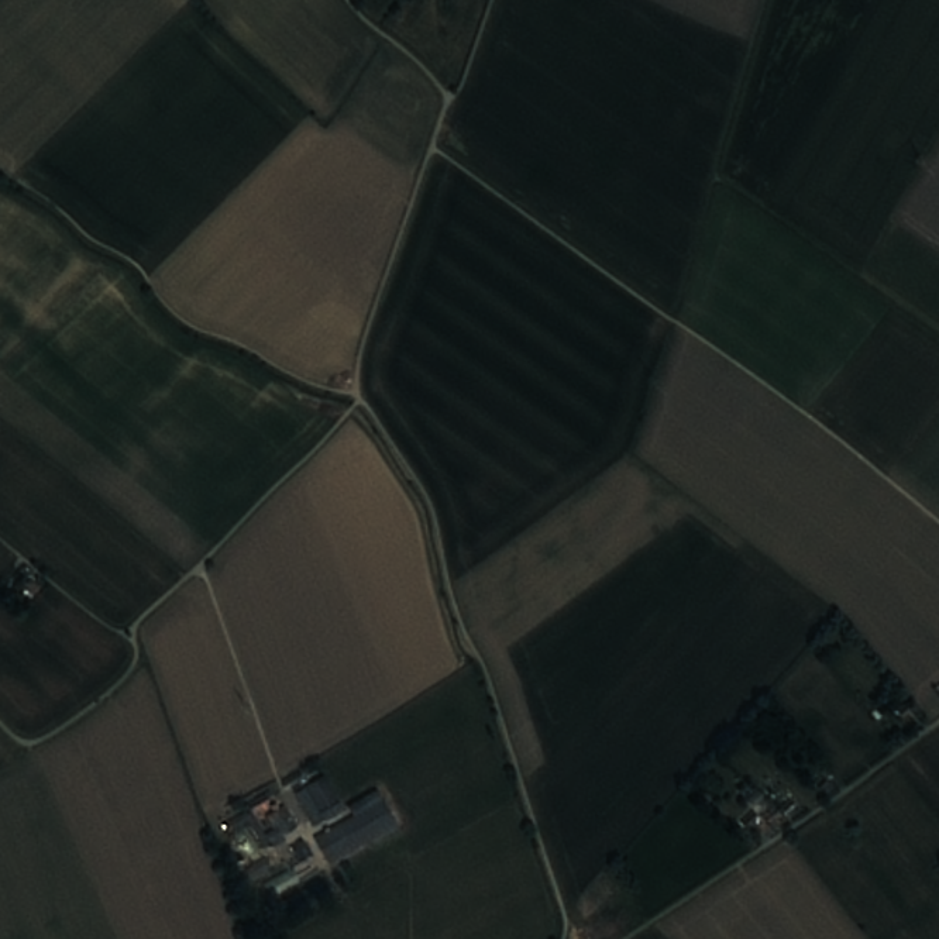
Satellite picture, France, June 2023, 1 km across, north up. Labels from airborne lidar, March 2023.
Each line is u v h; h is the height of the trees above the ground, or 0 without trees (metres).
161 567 0
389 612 0
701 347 0
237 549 0
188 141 0
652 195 0
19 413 0
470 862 0
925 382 0
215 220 0
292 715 0
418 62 0
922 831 0
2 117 0
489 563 0
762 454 0
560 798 0
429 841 0
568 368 0
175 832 0
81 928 0
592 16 0
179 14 0
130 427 0
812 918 0
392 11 8
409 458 0
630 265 0
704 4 0
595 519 0
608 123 0
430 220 0
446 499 0
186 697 0
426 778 0
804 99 0
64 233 0
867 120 0
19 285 0
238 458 0
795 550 0
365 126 0
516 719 0
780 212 0
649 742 0
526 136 0
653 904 0
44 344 0
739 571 0
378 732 0
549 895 0
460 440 0
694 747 0
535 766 0
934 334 0
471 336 0
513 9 0
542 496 0
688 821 0
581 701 0
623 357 0
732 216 0
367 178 0
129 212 0
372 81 0
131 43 0
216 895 0
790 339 0
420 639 0
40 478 0
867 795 0
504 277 0
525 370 0
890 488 0
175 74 0
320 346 0
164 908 0
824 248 0
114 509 0
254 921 10
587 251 0
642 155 0
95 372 0
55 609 0
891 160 0
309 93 0
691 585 0
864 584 0
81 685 0
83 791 0
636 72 0
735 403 0
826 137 0
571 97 0
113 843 0
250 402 0
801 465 0
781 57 0
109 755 0
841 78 0
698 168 0
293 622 0
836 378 0
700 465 0
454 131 0
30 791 0
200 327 0
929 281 0
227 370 0
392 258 0
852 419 0
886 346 0
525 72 0
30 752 0
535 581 0
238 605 0
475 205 0
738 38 0
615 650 0
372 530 0
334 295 0
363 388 0
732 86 0
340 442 0
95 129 0
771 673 0
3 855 0
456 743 0
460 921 0
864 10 0
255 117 0
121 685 0
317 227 0
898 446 0
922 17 0
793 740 12
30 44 0
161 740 0
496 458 0
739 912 0
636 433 0
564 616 0
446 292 0
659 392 0
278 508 0
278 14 0
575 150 0
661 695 0
